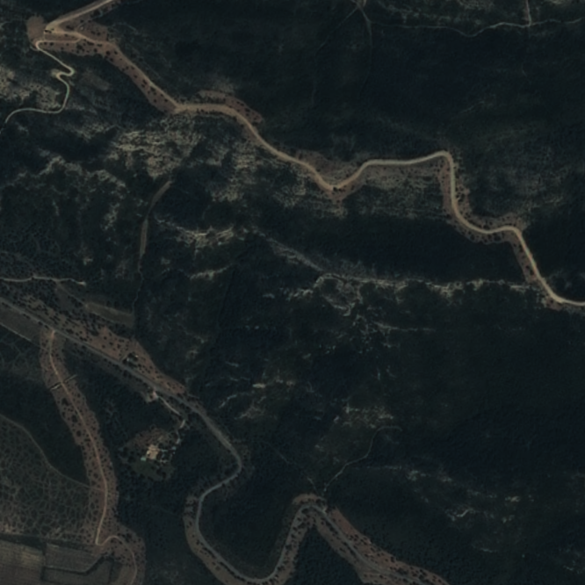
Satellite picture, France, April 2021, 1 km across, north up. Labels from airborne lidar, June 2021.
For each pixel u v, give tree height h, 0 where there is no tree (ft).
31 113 0
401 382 0
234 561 0
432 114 0
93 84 0
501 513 0
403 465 0
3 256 20
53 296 22
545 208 0
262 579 0
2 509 0
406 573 24
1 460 0
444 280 0
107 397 22
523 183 0
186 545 0
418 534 24
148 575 0
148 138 0
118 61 0
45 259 19
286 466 20
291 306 0
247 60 0
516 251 0
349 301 0
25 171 0
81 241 0
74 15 0
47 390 0
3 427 0
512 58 0
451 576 25
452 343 0
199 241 0
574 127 17
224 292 21
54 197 0
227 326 20
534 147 0
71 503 0
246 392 0
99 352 0
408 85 0
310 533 22
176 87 0
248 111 0
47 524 0
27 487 0
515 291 0
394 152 0
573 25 0
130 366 32
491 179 0
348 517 0
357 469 0
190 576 0
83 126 0
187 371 0
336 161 0
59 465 0
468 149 0
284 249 0
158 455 23
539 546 18
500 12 0
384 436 0
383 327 0
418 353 0
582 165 0
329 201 0
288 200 0
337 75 0
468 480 0
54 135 0
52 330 0
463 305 0
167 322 0
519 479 0
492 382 18
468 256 0
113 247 0
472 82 0
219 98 0
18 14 0
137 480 25
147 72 0
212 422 0
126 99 20
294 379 0
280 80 0
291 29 0
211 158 0
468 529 0
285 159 0
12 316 0
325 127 0
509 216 0
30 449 0
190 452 0
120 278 0
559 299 0
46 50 0
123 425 26
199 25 0
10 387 0
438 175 0
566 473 0
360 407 0
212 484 25
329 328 0
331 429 0
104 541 0
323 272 0
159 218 0
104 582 0
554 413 19
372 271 0
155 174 0
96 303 0
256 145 0
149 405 19
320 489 21
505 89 0
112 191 0
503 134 0
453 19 0
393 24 25
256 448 27
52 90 0
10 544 0
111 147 0
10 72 0
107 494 0
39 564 0
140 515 22
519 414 20
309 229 0
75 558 0
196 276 0
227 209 22
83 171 0
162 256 0
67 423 0
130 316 0
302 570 26
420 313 0
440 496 0
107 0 0
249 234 18
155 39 0
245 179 0
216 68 0
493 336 18
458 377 0
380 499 21
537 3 0
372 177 0
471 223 0
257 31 0
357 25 0
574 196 20
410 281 0
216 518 0
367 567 0
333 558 26
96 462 0
